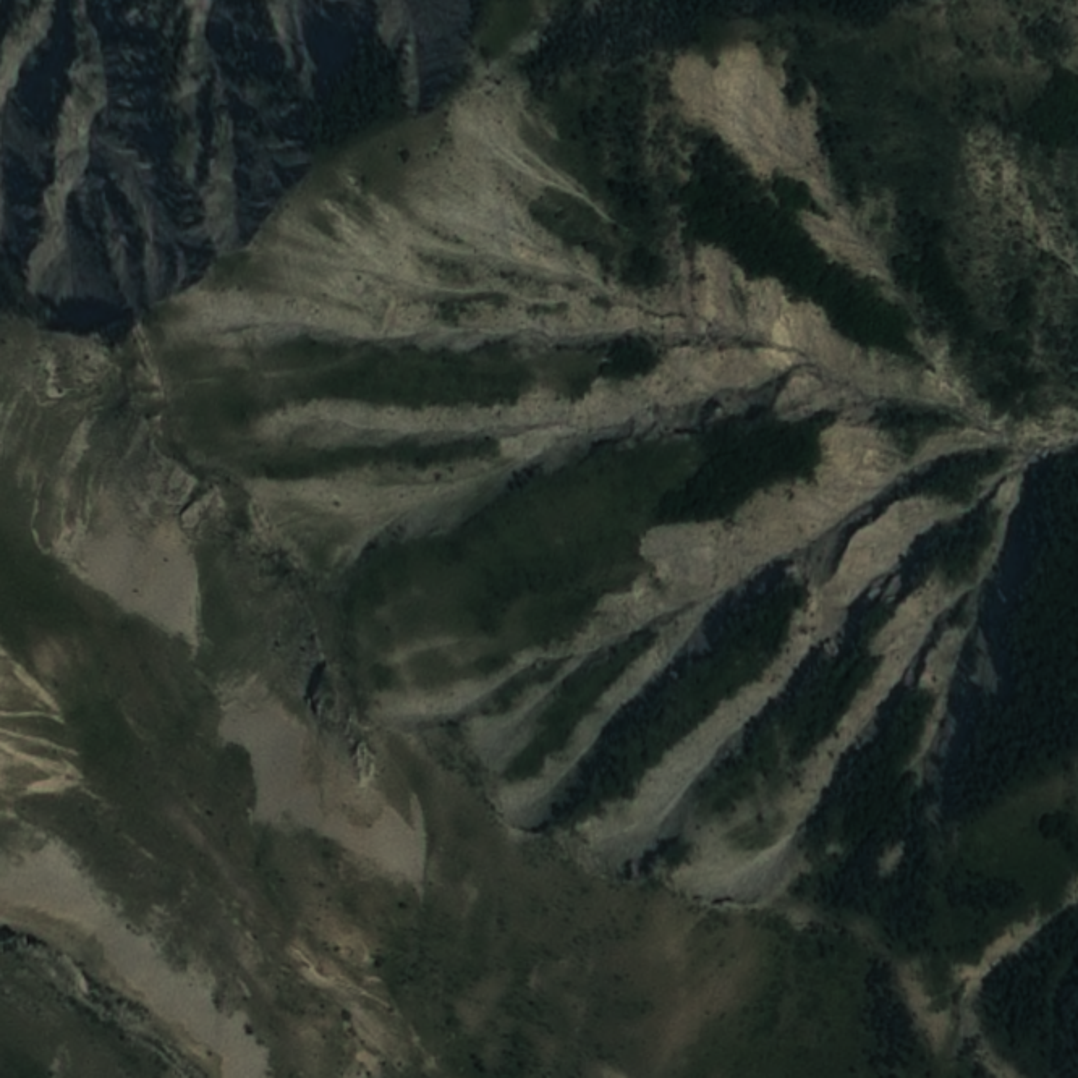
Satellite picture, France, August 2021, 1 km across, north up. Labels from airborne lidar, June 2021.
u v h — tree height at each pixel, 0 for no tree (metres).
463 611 0
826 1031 0
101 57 0
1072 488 14
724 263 0
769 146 0
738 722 0
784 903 0
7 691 0
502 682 0
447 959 0
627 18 7
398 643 0
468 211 0
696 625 0
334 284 0
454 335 0
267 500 0
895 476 0
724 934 0
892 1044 7
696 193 13
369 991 0
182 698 0
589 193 0
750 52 0
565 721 0
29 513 0
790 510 0
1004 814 0
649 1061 0
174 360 0
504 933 0
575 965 0
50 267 0
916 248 8
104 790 0
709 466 11
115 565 0
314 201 0
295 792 0
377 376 0
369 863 0
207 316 0
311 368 0
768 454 9
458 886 0
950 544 7
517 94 0
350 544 0
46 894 0
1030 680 16
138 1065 0
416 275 0
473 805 0
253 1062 0
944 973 0
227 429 0
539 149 0
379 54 13
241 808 0
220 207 0
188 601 0
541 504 0
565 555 0
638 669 0
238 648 0
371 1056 0
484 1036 0
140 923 0
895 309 9
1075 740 11
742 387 0
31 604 0
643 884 0
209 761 0
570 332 0
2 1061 0
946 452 0
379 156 0
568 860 0
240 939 0
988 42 0
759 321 0
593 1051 0
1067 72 10
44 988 0
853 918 0
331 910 0
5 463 0
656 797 0
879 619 12
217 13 0
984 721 15
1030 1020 10
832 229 0
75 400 0
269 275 0
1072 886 0
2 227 0
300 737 0
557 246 0
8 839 0
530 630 0
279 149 0
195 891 0
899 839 7
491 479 0
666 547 0
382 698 0
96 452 0
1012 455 0
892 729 11
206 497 0
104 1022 0
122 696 0
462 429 0
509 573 0
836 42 0
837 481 0
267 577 0
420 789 0
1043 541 10
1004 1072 0
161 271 0
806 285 11
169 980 0
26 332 0
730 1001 0
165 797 0
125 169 0
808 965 0
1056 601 14
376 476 0
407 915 0
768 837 0
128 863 0
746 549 0
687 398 0
